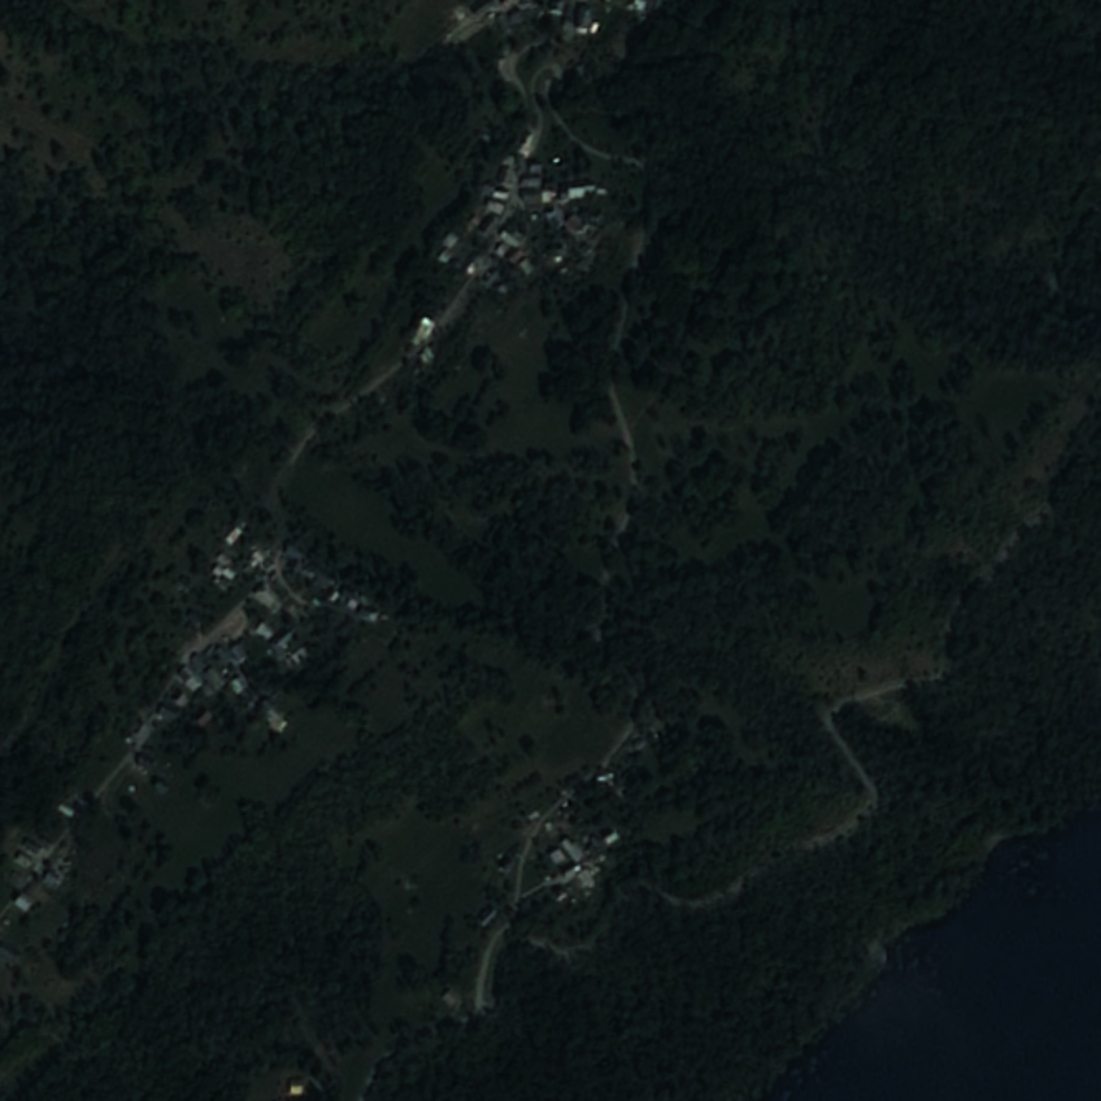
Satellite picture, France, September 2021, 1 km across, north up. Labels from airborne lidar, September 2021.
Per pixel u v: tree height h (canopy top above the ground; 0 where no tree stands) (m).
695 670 26
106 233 14
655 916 25
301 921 23
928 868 26
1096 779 19
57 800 7
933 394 0
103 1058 19
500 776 17
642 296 21
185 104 15
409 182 24
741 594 20
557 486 9
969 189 8
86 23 13
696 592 21
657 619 20
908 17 17
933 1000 20
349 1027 21
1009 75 36
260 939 27
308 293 14
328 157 19
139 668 18
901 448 23
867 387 18
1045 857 25
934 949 20
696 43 21
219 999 26
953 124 24
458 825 7
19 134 13
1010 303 33
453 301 0
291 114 13
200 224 16
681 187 30
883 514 26
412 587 22
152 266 12
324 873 18
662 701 18
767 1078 21
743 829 14
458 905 0
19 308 22
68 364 27
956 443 22
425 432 25
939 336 27
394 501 25
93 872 0
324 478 0
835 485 24
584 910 8
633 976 26
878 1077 16
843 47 26
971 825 18
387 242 17
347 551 6
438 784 17
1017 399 0
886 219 33
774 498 21
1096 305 22
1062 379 12
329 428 11
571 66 6
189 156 15
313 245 15
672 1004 28
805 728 11
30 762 23
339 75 14
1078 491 30
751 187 21
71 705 18
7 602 18
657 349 16
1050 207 32
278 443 21
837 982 11
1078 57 31
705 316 23
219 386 20
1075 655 25
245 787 0
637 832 6
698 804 19
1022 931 20
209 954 23
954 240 24
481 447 17
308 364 16
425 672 8
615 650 23
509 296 6
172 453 17
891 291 24
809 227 22
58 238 19
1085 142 22
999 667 24
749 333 16
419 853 0
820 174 24
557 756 0
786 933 31
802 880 22
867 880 27
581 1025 28
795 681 13
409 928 0
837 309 15
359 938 22
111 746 0
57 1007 0
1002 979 16
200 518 14
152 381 27
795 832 11
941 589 22
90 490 16
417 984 21
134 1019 26
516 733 0
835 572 17
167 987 23
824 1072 19
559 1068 30
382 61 23
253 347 22
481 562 27
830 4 23
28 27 25
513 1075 28
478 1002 0
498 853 0
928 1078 16
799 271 20
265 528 12
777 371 18
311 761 0
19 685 15
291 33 14
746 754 13
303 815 17
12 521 14
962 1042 10
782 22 22
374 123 17
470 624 10
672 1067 26
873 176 19
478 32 0
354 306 18
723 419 16
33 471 22
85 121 0
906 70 23
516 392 0
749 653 19
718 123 29
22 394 23
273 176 13
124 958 23
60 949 9
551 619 23
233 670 6
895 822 21
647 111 30
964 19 26
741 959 30
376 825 9
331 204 18
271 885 21
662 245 27
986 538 8
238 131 18
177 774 0
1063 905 21
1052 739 31
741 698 16
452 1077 29
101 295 28
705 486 20
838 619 0
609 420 11
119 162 13
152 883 12
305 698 19
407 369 7
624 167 5
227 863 15
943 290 27
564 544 20
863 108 18
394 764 18
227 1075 17
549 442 0
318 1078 21
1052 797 26
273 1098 0
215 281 17
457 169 15
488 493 22
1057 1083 23
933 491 22
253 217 13
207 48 18
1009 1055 17
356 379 6
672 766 16
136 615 16
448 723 16
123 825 7
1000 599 26
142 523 18
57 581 14
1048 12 27
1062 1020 11
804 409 18
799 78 17
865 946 17
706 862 18
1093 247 28
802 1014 24
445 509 21
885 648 15
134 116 0
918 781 21
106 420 26
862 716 18
